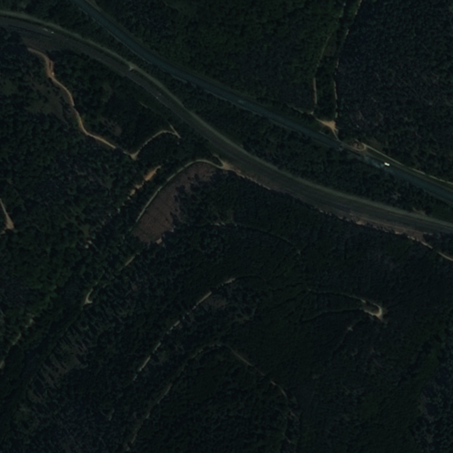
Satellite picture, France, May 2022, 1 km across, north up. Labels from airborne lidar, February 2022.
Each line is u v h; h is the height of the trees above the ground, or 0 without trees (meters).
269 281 13
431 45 26
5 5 26
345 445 14
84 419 31
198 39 26
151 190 15
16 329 9
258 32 25
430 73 31
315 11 28
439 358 6
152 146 12
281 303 23
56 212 33
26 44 0
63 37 0
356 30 22
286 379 17
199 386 13
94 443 21
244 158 0
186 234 20
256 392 15
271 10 30
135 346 12
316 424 21
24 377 26
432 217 0
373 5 8
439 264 20
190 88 18
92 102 37
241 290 10
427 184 0
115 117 10
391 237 18
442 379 29
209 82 0
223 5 23
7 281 31
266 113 0
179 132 12
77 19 23
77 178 35
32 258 31
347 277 16
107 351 13
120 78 6
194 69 20
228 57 29
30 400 36
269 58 24
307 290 16
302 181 0
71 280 25
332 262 16
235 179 16
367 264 14
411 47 28
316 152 22
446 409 26
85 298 0
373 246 16
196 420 13
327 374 13
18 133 31
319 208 0
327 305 16
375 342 17
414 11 31
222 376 7
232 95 0
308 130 0
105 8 8
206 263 11
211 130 0
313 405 16
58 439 28
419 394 9
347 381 20
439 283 16
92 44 0
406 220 0
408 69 29
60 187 36
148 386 14
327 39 11
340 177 22
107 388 25
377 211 0
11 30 0
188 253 14
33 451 34
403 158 29
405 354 12
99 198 36
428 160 30
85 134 0
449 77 26
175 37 26
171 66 0
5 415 24
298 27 27
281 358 18
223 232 13
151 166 25
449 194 0
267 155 36
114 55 0
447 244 22
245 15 31
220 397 12
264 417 14
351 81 27
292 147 22
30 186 33
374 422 16
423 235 0
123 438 15
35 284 36
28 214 24
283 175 0
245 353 11
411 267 16
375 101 28
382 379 14
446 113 25
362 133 20
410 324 16
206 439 8
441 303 14
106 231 36
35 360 28
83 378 15
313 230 18
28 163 34
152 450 12
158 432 10
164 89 0
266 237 19
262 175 0
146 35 24
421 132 26
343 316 15
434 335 9
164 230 25
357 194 10
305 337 18
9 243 24
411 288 13
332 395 19
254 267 20
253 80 19
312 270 21
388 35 28
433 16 31
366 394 14
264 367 17
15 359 22
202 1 17
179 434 13
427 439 29
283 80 21
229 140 0
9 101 9
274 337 23
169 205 25
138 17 25
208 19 24
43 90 0
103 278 33
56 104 0
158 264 12
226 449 11
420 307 16
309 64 27
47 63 0
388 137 28
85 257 31
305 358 19
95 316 33
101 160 27
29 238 34
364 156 0
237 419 15
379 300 10
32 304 32
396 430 24
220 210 25
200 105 25
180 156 25
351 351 12
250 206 17
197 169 17
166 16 28
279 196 17
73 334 34
